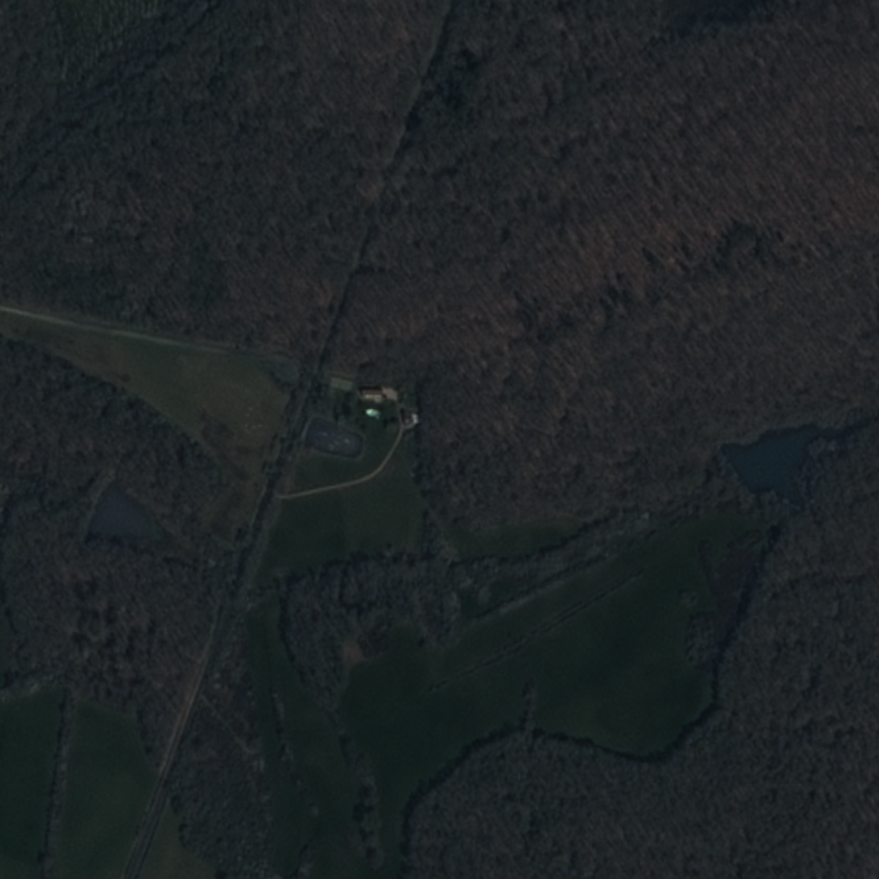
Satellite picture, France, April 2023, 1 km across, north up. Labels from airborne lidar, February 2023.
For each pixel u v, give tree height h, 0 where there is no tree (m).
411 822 18
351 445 0
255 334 19
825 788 22
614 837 25
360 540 0
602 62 24
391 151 15
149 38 8
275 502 16
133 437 22
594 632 0
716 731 17
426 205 17
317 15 24
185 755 6
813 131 25
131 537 0
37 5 22
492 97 20
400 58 20
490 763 22
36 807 0
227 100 22
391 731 0
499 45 22
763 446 0
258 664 0
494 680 0
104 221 12
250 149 23
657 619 0
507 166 27
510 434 22
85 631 28
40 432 26
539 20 23
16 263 22
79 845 0
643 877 22
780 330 22
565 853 22
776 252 18
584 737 0
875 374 18
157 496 21
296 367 0
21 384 24
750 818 19
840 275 24
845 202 21
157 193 20
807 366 22
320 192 23
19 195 18
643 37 18
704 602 0
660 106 24
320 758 0
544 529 0
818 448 8
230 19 18
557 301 16
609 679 0
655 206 26
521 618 0
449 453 26
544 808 18
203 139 21
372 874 0
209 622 23
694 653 6
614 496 21
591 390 20
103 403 24
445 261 15
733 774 21
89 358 0
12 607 20
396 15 22
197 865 0
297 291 20
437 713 0
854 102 24
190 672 24
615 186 26
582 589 0
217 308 22
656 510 14
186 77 21
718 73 25
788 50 24
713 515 0
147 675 21
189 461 22
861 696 18
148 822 0
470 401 24
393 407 10
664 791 23
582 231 23
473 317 20
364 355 20
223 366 0
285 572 0
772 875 20
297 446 8
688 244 20
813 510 19
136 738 0
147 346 0
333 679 27
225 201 24
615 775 20
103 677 21
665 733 0
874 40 16
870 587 22
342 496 0
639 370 15
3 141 19
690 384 21
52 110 20
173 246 25
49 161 17
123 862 0
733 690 23
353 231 22
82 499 12
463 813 24
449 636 9
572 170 25
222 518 0
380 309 18
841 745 18
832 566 19
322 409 15
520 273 17
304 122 20
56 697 0
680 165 28
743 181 25
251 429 0
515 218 21
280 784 0
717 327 19
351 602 7
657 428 20
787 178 26
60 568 22
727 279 19
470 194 22
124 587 25
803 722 23
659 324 25
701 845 24
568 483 24
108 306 22
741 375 24
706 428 22
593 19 14
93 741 0
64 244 20
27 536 23
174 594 25
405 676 0
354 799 0
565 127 19
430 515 7
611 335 21
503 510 23
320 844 0
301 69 24
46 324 0
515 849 25
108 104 18
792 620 18
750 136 23
